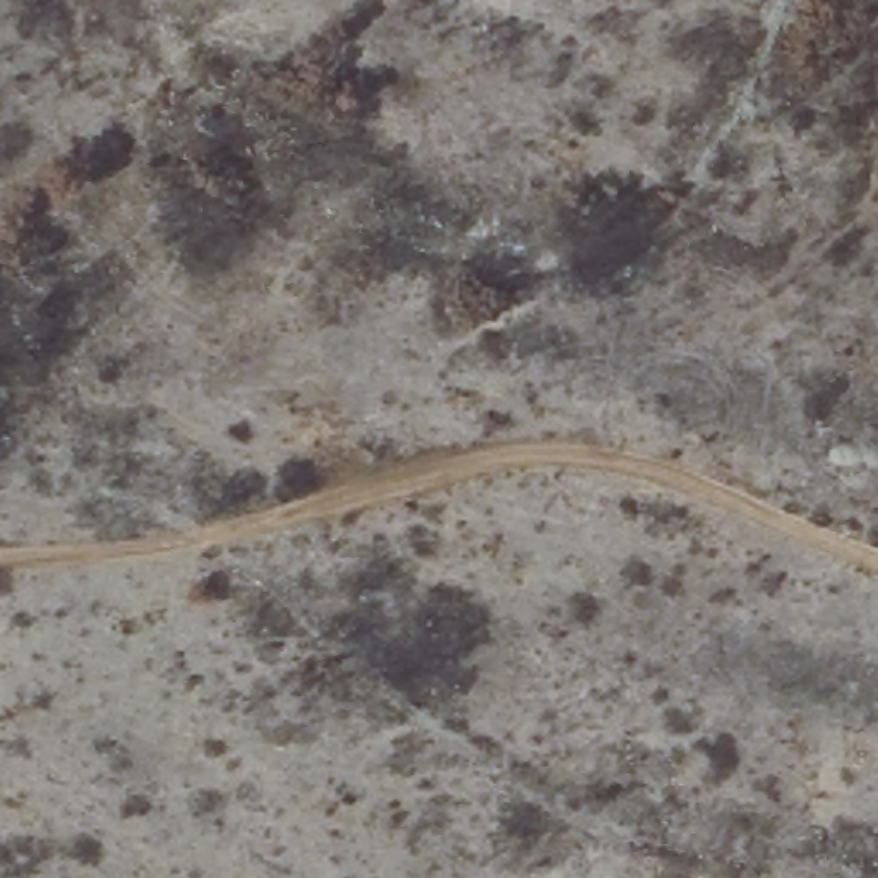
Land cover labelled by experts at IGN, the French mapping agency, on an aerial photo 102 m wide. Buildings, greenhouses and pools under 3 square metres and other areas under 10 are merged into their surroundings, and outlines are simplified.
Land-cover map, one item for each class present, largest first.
<instances>
[{"label":"bare soil","instance_id":"1","mask_svg":"<svg viewBox=\"0 0 878 878\"><path fill-rule=\"evenodd\" d=\"M0 878H878V0H0Z\"/></svg>","mask_w":878,"mask_h":878}]
</instances>
